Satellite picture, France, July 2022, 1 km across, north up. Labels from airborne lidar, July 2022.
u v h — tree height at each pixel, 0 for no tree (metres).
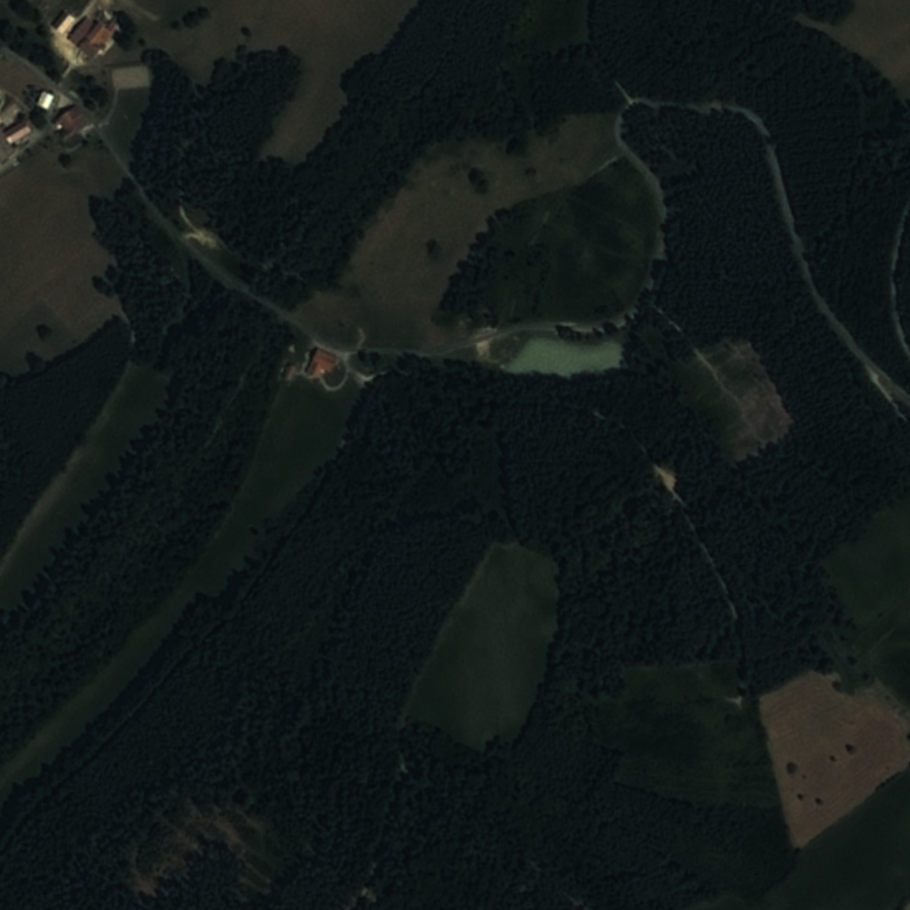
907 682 0
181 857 28
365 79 18
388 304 0
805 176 18
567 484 26
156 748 15
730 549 19
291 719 10
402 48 17
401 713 12
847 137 18
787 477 23
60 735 0
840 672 0
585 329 0
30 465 12
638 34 18
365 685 22
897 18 0
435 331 0
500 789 19
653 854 24
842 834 0
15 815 27
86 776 21
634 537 36
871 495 17
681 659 25
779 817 6
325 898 31
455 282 13
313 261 24
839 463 17
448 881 23
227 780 23
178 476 18
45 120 13
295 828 10
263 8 0
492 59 17
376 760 17
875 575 0
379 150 7
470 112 27
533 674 0
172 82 23
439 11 15
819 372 19
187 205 22
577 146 0
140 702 20
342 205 12
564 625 19
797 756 0
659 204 0
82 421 13
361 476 6
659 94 11
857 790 0
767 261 21
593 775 16
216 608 24
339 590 7
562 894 20
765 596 10
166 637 0
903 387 12
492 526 21
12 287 0
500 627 0
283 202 11
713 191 23
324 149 13
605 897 26
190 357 28
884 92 17
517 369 0
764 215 22
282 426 0
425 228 0
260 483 0
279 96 19
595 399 20
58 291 0
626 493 19
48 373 15
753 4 20
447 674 0
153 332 27
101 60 0
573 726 28
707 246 22
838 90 16
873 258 14
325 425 0
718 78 12
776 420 0
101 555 14
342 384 0
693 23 18
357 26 0
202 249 0
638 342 24
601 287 0
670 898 22
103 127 0
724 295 24
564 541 24
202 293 18
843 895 0
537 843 18
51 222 0
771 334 18
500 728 0
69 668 29
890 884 0
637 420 19
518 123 22
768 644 23
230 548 0
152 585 17
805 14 14
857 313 18
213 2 0
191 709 17
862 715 0
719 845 7
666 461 27
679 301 23
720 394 0
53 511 0
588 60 18
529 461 23
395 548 26
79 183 0
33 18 15
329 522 9
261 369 13
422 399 6
